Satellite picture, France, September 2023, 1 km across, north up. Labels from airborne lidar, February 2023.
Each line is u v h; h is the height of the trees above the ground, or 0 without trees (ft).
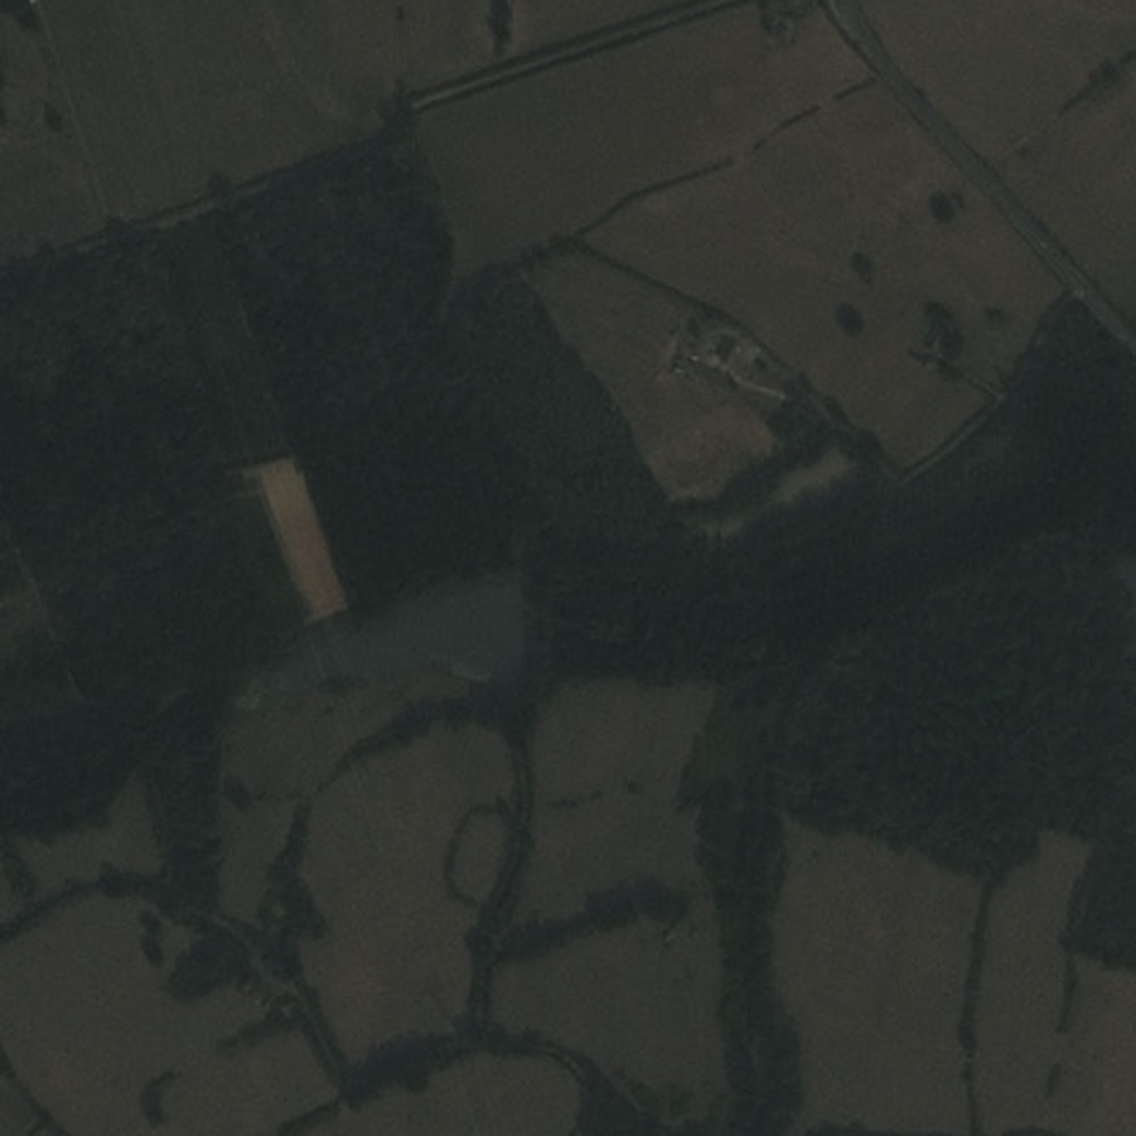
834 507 71
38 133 0
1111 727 46
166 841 19
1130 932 73
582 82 0
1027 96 0
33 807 58
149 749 59
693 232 0
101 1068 0
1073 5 0
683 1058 0
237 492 0
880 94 0
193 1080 0
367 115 0
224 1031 0
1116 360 46
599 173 0
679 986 0
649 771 0
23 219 0
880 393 0
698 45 0
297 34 0
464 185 0
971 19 0
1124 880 69
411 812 0
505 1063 0
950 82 0
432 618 0
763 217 0
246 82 0
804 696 50
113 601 78
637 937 0
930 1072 0
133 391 40
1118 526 54
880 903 0
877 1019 0
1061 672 27
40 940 0
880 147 0
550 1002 0
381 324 83
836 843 0
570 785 0
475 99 0
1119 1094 0
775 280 0
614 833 0
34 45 0
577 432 51
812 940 0
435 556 64
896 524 64
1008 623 79
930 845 71
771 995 36
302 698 0
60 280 32
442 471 51
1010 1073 0
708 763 0
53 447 38
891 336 0
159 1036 0
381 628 0
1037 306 0
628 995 0
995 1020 0
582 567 43
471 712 46
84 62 0
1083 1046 0
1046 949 0
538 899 0
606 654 56
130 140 0
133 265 37
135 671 78
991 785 52
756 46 0
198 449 40
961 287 0
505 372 55
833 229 0
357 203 82
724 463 0
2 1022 0
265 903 0
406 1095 0
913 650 69
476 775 0
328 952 0
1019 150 0
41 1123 34
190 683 54
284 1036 0
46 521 58
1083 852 0
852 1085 0
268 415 0
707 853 44
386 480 64
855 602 79
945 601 29
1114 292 0
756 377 0
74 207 0
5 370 42
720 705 0
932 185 0
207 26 0
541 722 0
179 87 0
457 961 0
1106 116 0
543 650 55
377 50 0
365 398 71
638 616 78
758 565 63
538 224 0
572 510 64
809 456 49
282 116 0
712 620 24
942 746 77
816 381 0
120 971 0
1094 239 0
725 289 0
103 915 0
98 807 71
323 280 77
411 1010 0
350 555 63
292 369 73
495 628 0
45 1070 0
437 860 0
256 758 0
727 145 0
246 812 0
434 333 81
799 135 0
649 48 0
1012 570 57
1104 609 68
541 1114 0
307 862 0
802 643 30
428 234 74
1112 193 0
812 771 76
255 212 58
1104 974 0
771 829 68
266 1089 0
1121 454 18
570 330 0
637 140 0
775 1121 63
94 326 46
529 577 62
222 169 0
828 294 0
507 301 67
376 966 0
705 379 0
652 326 0
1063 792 60
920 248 0
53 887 0
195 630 69
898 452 0
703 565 34
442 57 0
